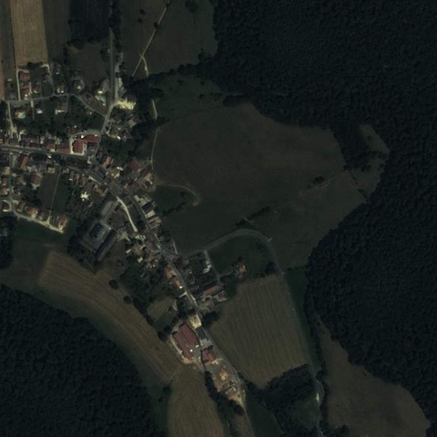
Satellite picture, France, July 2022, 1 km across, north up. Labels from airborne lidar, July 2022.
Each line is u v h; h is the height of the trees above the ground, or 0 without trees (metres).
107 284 0
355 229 35
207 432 0
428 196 26
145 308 8
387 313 20
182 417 0
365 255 31
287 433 17
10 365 33
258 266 0
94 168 0
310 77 25
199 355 0
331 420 0
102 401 34
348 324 33
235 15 33
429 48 15
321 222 0
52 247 0
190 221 0
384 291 13
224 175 0
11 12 0
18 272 0
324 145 0
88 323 21
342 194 0
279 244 0
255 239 0
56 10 0
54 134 15
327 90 30
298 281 0
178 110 0
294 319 0
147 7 0
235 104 19
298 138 0
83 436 24
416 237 25
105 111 0
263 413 0
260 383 0
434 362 30
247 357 0
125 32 0
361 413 0
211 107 0
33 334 32
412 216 35
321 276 29
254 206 0
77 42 19
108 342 24
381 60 18
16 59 0
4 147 0
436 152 22
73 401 32
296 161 0
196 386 0
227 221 0
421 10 10
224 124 0
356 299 19
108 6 0
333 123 17
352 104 27
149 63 0
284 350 0
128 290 0
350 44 19
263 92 34
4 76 0
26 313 32
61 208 0
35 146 0
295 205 0
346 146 12
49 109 0
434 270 24
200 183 0
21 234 0
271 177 0
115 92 0
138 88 23
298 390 16
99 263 16
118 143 6
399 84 22
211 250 0
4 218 9
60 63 8
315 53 16
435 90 23
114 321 0
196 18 0
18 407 21
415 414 0
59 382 32
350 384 0
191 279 0
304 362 0
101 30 0
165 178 0
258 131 0
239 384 0
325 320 20
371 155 12
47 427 18
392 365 30
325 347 0
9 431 21
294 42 10
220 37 22
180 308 11
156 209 14
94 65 0
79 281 0
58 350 31
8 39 0
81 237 17
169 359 0
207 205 0
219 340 0
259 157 0
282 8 18
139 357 0
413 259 19
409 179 32
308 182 0
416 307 26
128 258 8
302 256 0
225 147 0
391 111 29
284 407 12
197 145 0
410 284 14
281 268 0
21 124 6
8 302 28
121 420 36
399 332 32
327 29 19
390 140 23
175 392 0
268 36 20
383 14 13
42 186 0
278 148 0
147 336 0
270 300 0
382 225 34
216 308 0
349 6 24
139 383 27
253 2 32
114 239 0
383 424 0
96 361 30
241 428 0
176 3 0
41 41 0
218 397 23
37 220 0
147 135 15
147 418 34
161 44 0
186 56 0
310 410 0
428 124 29
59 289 0
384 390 0
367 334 24
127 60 0
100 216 10
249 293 0
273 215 0
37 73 0
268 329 0
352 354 26
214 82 19
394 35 15
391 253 24
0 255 22
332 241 29
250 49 29
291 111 23
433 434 24
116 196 0
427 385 33
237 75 24
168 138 0
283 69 20
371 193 0
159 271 15
